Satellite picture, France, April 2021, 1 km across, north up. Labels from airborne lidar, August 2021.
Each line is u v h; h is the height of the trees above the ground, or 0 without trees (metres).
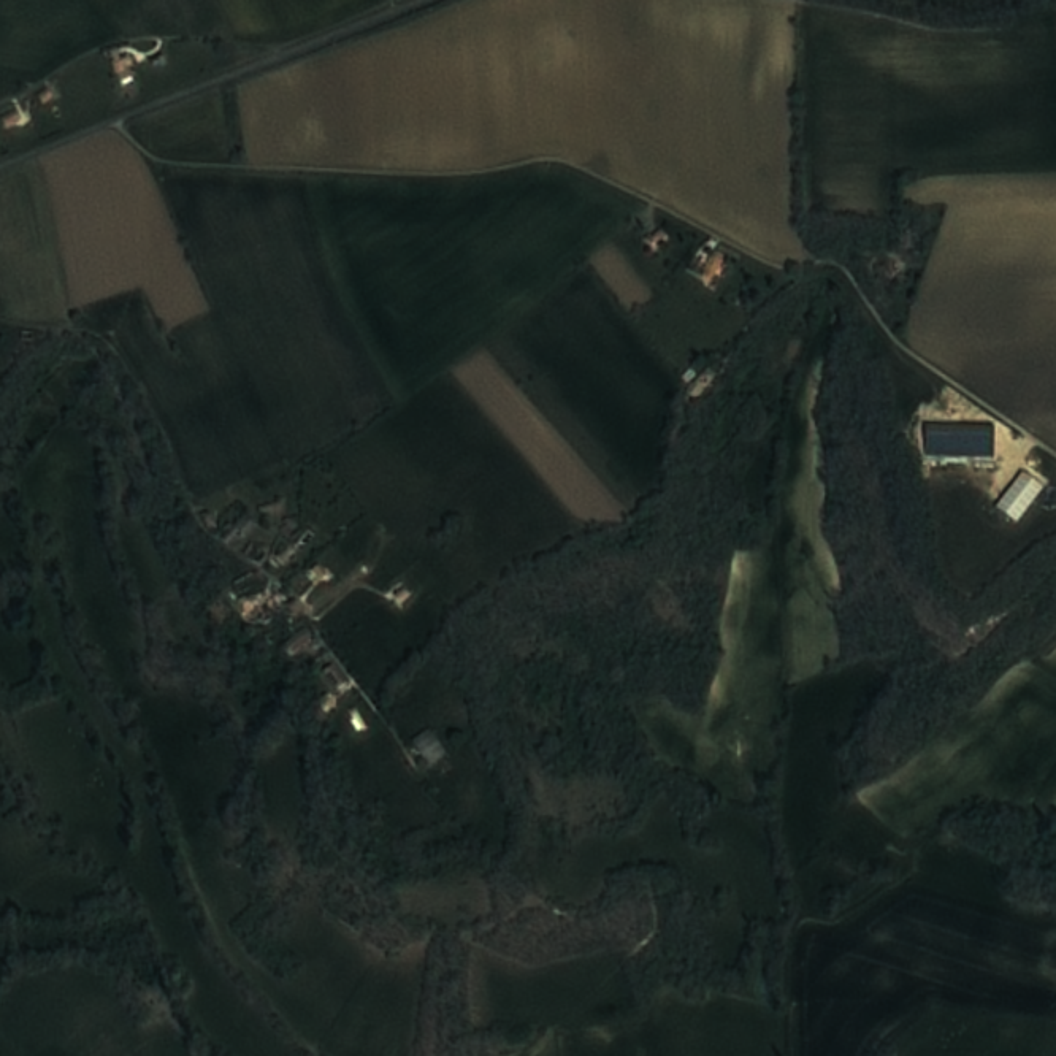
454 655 13
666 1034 0
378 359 0
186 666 21
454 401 0
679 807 15
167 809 22
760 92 0
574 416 0
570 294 0
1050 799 0
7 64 0
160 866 0
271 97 0
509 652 16
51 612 0
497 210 0
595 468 0
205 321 0
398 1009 0
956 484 0
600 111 0
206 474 0
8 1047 0
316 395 0
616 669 21
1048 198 0
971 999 0
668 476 16
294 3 0
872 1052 0
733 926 0
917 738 21
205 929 18
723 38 0
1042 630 16
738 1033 0
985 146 0
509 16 0
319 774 19
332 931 0
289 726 23
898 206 11
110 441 17
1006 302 0
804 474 0
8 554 0
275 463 0
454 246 0
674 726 0
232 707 14
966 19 15
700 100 0
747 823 0
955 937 0
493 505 0
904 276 5
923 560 16
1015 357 0
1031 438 0
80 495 0
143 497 18
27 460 30
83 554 0
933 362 0
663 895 14
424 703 0
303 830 9
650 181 0
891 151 0
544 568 14
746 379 20
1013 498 0
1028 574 16
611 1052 0
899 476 14
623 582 16
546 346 0
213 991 0
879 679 0
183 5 0
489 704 22
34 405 24
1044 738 0
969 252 0
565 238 0
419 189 0
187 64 0
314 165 0
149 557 0
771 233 0
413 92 0
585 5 0
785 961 18
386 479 0
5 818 7
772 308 13
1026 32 0
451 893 0
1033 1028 0
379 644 0
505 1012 0
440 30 0
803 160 14
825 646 0
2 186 0
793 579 0
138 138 0
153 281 0
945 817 6
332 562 0
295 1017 0
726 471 13
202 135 0
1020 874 23
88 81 0
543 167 0
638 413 0
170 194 0
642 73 0
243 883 0
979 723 0
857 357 19
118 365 14
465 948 19
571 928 12
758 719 0
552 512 0
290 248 0
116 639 0
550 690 8
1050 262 0
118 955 12
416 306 0
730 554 9
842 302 24
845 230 19
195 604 17
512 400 0
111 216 0
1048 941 0
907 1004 0
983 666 15
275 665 8
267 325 0
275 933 8
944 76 0
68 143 0
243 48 0
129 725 20
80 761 0
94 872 17
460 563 0
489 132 0
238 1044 0
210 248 0
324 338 0
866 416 12
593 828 13
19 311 0
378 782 0
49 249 0
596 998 0
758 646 0
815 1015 0
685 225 0
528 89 0
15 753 7
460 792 0
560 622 18
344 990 0
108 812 0
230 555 0
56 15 0
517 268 0
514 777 17
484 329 0
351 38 0
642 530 12
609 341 0
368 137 0
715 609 11
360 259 0
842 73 0
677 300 0
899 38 0
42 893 0
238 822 16
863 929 0
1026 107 0
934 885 0
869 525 10
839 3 16
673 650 12
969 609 12
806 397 0
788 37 0
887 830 0
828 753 0
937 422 0
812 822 0
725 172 0
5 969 15
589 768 12
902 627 15
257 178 0
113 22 0
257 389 0
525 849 10
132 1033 0
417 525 0
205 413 0
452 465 0
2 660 0
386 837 9
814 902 0
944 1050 0
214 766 0
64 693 27
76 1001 0
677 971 12
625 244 0
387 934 15
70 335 10
